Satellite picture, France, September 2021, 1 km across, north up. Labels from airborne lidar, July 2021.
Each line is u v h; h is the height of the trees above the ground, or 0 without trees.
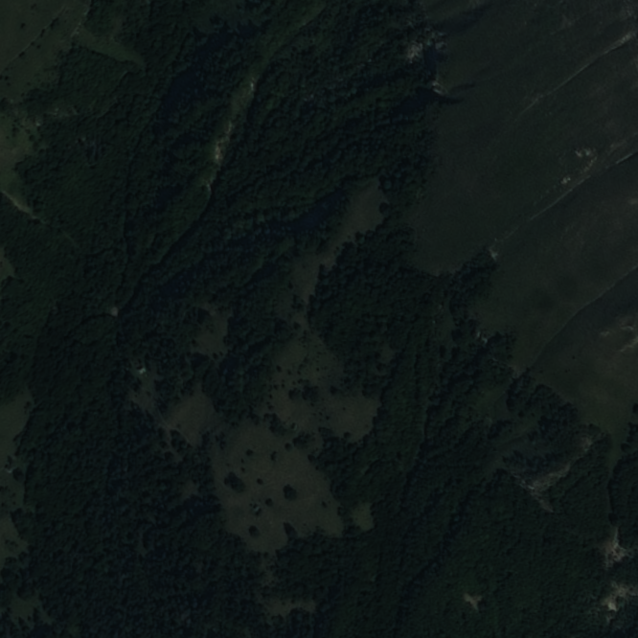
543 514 28
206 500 6
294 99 10
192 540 33
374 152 16
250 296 27
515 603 16
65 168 27
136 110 15
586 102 0
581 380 0
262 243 21
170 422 0
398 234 11
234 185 14
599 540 18
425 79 15
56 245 24
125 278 28
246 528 0
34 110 15
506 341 6
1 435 0
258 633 10
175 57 7
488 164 0
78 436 32
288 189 24
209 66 22
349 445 8
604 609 8
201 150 18
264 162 24
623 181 0
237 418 7
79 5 0
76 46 20
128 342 17
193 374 15
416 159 11
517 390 14
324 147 17
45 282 21
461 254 0
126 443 13
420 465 20
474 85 0
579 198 0
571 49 0
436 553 24
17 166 9
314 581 7
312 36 9
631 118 0
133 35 12
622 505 23
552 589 18
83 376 19
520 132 0
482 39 0
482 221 0
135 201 19
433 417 21
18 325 21
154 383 0
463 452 16
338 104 18
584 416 0
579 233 0
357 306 16
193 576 16
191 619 14
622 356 0
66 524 18
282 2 6
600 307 0
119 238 10
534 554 29
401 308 26
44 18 0
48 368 17
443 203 0
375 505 11
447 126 0
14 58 0
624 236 0
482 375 21
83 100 22
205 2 13
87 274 25
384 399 18
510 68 0
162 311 29
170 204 22
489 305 0
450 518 13
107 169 24
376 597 17
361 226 0
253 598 20
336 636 22
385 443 23
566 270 0
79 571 23
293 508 0
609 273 0
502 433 10
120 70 14
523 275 0
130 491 19
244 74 14
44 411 18
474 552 25
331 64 9
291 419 0
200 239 13
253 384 27
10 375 26
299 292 0
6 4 0
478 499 23
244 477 0
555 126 0
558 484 18
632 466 27
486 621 20
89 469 32
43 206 24
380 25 12
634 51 0
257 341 22
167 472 25
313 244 19
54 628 11
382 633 21
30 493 19
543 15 0
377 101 10
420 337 23
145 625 36
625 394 0
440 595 22
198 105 19
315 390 6
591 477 25
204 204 14
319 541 12
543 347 0
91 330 20
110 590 25
